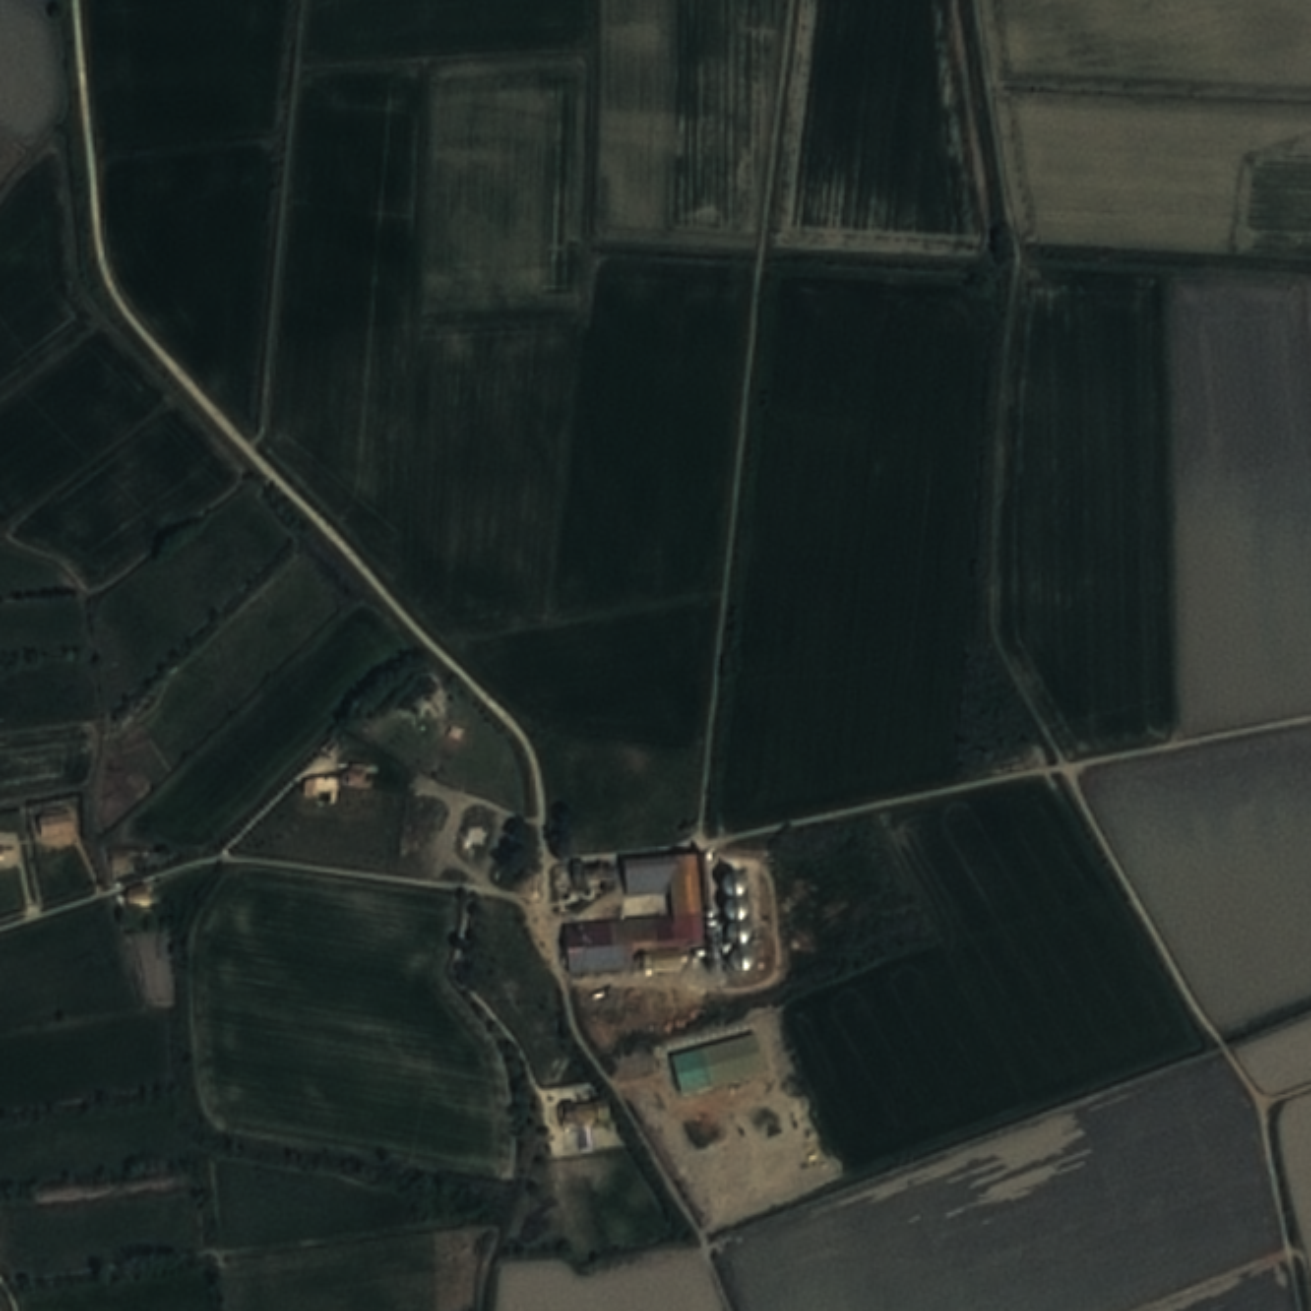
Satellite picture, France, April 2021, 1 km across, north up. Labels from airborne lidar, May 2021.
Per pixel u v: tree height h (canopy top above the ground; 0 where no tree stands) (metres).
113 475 0
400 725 0
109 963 0
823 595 0
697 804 0
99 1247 0
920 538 0
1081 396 0
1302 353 0
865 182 0
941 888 0
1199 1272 0
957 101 0
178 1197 0
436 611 0
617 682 0
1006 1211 0
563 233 0
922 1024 0
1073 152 0
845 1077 0
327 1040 0
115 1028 0
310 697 0
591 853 0
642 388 0
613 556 0
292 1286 0
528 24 0
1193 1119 0
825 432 0
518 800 0
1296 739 0
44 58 0
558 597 0
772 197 0
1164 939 0
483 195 0
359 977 0
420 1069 0
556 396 0
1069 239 0
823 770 0
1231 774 0
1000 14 0
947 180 0
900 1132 0
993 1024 0
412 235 0
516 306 0
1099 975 0
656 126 0
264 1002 0
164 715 0
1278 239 0
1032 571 0
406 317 0
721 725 6
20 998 0
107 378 0
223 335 0
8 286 0
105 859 0
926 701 0
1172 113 0
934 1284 0
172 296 0
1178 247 0
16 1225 0
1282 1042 0
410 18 0
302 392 0
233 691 0
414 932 0
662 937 0
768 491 0
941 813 0
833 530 0
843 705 0
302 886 0
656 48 0
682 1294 0
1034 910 0
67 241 0
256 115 0
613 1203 0
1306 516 0
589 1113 0
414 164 0
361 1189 0
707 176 0
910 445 0
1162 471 0
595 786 0
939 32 0
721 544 0
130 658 0
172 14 0
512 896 0
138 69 0
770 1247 0
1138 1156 0
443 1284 0
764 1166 0
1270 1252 0
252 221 0
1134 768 0
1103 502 0
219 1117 0
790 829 8
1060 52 0
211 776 0
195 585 0
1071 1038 0
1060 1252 0
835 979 7
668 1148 0
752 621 0
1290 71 0
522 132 0
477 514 0
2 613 0
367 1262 0
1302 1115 0
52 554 0
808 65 0
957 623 0
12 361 0
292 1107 0
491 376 0
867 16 0
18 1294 13
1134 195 0
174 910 5
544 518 0
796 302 0
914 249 0
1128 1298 0
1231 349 0
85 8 0
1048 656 0
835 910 0
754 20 0
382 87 0
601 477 0
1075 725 0
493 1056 0
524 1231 0
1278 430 0
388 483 0
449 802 0
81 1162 0
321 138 0
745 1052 0
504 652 0
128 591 0
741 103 0
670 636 0
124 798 0
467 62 0
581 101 0
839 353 0
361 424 0
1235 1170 0
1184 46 0
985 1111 0
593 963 0
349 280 0
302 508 14
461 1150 0
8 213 0
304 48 0
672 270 0
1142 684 0
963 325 0
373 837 0
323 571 6
